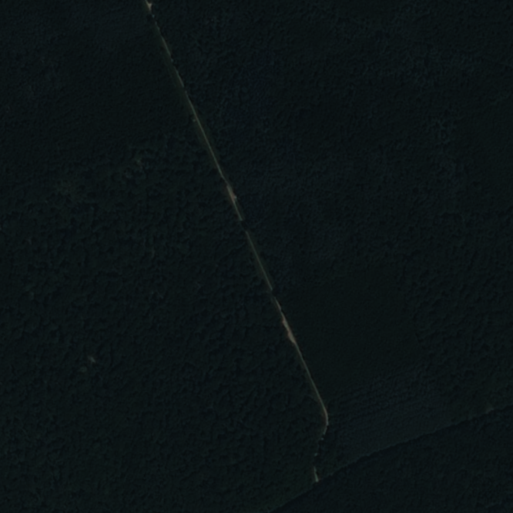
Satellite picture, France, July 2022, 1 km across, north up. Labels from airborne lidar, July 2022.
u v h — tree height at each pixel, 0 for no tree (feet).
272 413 78
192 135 87
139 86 47
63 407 73
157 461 50
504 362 80
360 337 49
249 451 72
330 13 76
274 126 70
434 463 87
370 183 80
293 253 78
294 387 93
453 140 84
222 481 81
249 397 89
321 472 35
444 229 80
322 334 45
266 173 73
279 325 83
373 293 46
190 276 75
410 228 75
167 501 58
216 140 39
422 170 83
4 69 52
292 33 74
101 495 58
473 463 64
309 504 68
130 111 44
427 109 70
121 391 75
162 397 62
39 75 62
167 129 73
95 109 49
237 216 46
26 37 63
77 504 60
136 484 58
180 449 66
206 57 79
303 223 79
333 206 79
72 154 44
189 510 58
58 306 93
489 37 71
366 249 86
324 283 52
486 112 43
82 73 48
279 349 92
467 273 71
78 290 83
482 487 30
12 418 61
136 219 82
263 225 78
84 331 67
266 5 83
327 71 72
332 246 82
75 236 82
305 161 77
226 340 64
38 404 71
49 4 45
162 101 56
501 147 32
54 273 87
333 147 76
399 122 74
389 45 64
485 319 83
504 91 74
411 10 63
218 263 73
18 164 50
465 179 66
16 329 87
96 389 68
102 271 86
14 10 45
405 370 49
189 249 78
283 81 65
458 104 80
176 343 58
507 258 55
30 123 64
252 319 90
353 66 44
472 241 63
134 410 76
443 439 72
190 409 82
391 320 51
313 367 53
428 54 64
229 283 80
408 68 91
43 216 85
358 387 38
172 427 65
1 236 50
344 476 65
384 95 91
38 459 84
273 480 56
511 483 64
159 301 88
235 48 65
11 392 74
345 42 74
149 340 71
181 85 0
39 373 40
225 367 89
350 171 75
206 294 65
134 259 76
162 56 53
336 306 47
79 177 87
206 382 80
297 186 85
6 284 45
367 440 54
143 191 79
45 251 79
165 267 87
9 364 78
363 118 71
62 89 47
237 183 73
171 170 94
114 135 56
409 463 86
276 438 75
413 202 75
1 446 57
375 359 43
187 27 77
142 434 72
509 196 43
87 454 72
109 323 40
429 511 65
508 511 53
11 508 48
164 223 87
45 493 54
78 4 66
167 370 70
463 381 76
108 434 64
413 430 60
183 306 71
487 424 89
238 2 76
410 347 44
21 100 65
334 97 94
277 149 68
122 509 75
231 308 81
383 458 77
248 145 52
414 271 84
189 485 61
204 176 83
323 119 100
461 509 52
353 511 80
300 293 53
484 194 43
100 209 81
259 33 78
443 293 52
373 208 56
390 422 57
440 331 86
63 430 62
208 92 86
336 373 46
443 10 71
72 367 62
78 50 52
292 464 65
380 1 79
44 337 73
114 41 59
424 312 88
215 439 72
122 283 62
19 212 80
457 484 72
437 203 83
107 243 90
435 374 62
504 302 74
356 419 53
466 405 56
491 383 45
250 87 82
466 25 73
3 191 81
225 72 80
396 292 46
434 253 87
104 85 74
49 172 79
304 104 75
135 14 60
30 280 80
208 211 82
